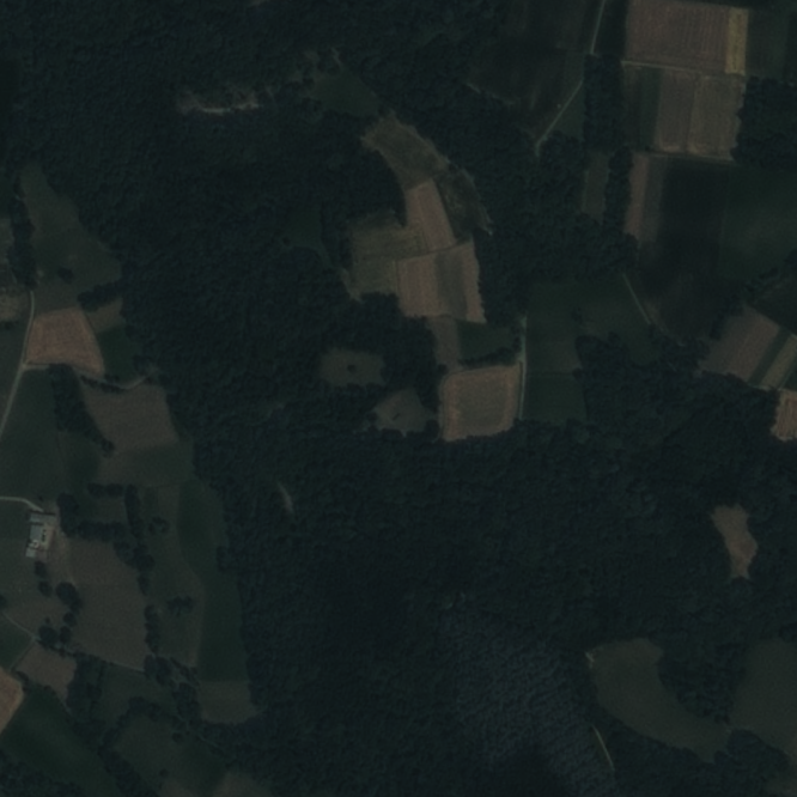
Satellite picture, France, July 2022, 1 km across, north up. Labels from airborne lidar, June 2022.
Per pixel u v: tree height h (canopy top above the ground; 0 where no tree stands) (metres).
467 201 0
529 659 19
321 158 18
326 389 24
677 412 28
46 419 0
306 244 0
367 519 32
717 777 21
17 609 0
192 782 0
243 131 27
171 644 0
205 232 29
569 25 0
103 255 0
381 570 26
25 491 0
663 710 0
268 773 22
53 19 26
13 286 0
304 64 16
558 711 20
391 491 24
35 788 28
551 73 0
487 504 26
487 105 24
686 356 10
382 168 17
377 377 0
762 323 0
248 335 25
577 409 0
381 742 26
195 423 14
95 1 25
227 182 30
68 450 0
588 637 15
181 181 21
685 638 30
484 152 20
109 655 0
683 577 23
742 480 25
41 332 0
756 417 20
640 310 0
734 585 24
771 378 0
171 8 27
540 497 28
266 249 18
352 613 20
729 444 12
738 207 0
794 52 0
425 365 15
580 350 14
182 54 30
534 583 9
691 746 0
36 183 0
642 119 0
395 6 25
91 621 0
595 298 0
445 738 26
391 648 21
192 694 18
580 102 0
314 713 21
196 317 23
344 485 12
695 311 0
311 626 32
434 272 0
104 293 22
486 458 23
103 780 0
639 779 19
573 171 22
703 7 0
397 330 22
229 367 13
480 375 0
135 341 16
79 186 23
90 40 29
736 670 22
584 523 26
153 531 10
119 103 24
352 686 21
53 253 0
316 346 21
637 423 27
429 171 0
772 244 0
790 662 0
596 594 11
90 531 21
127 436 0
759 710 0
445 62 19
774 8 0
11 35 10
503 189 27
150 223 24
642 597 23
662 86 0
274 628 23
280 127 17
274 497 20
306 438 17
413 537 27
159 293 20
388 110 10
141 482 0
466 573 24
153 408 0
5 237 0
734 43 0
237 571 11
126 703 0
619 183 14
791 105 18
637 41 0
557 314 0
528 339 0
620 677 0
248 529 10
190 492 0
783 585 23
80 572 0
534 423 10
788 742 0
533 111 0
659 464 21
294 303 23
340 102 0
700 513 18
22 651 0
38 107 16
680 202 0
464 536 28
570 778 19
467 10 14
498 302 21
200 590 0
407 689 21
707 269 0
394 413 0
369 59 24
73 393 18
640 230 0
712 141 0
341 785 21
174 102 21
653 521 28
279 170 20
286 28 18
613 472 22
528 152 25
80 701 17
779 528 25
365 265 0
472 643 19
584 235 25
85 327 0
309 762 22
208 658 0
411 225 0
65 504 21
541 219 20
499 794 25
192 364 25
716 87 0
